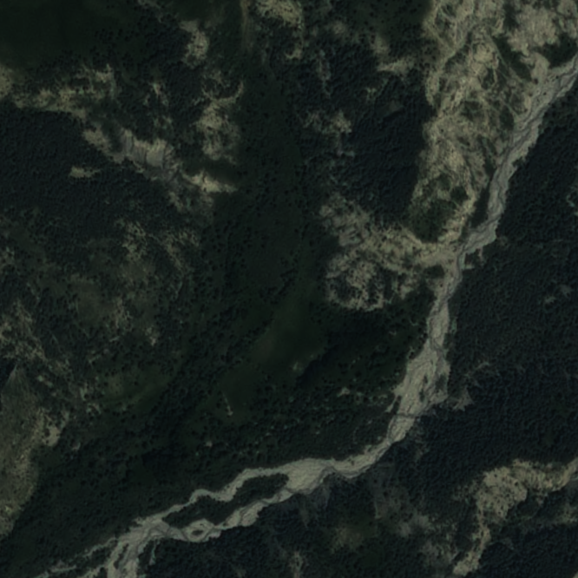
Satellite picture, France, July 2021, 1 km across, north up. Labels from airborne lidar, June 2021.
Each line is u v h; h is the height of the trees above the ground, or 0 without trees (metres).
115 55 10
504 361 8
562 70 0
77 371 8
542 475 0
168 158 0
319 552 7
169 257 8
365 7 0
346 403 9
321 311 7
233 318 18
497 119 0
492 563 13
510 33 0
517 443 12
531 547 9
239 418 0
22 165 14
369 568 6
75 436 9
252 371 0
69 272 6
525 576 12
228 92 7
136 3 7
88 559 6
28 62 0
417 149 11
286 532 11
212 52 9
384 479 0
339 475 0
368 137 17
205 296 12
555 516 11
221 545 14
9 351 9
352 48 8
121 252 7
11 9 0
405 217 8
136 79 7
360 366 0
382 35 0
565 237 11
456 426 14
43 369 10
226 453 12
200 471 13
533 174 12
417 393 0
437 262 0
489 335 10
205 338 10
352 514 8
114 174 9
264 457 7
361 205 10
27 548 0
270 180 7
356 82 8
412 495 10
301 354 0
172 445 6
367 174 9
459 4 0
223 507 9
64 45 0
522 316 7
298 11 0
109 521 7
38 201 12
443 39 0
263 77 13
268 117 16
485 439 7
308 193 12
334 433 6
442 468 11
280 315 0
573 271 12
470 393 9
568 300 8
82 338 6
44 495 10
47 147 14
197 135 10
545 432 13
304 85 14
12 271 12
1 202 11
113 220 9
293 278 11
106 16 0
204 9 0
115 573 0
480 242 0
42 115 11
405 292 0
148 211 12
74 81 10
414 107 10
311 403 6
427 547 0
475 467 8
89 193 16
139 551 0
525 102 0
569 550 10
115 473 12
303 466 0
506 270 8
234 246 12
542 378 16
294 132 13
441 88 6
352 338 24
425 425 8
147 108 12
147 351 8
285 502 0
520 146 0
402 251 0
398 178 16
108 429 0
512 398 9
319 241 6
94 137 0
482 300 6
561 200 8
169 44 10
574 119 7
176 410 18
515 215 8
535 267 10
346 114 10
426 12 0
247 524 0
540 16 0
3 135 16
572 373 8
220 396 5
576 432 15
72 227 8
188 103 6
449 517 10
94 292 0
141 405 0
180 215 11
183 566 13
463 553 7
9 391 6
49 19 0
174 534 0
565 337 13
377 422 6
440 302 0
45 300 11
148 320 0
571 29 0
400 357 8
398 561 8
